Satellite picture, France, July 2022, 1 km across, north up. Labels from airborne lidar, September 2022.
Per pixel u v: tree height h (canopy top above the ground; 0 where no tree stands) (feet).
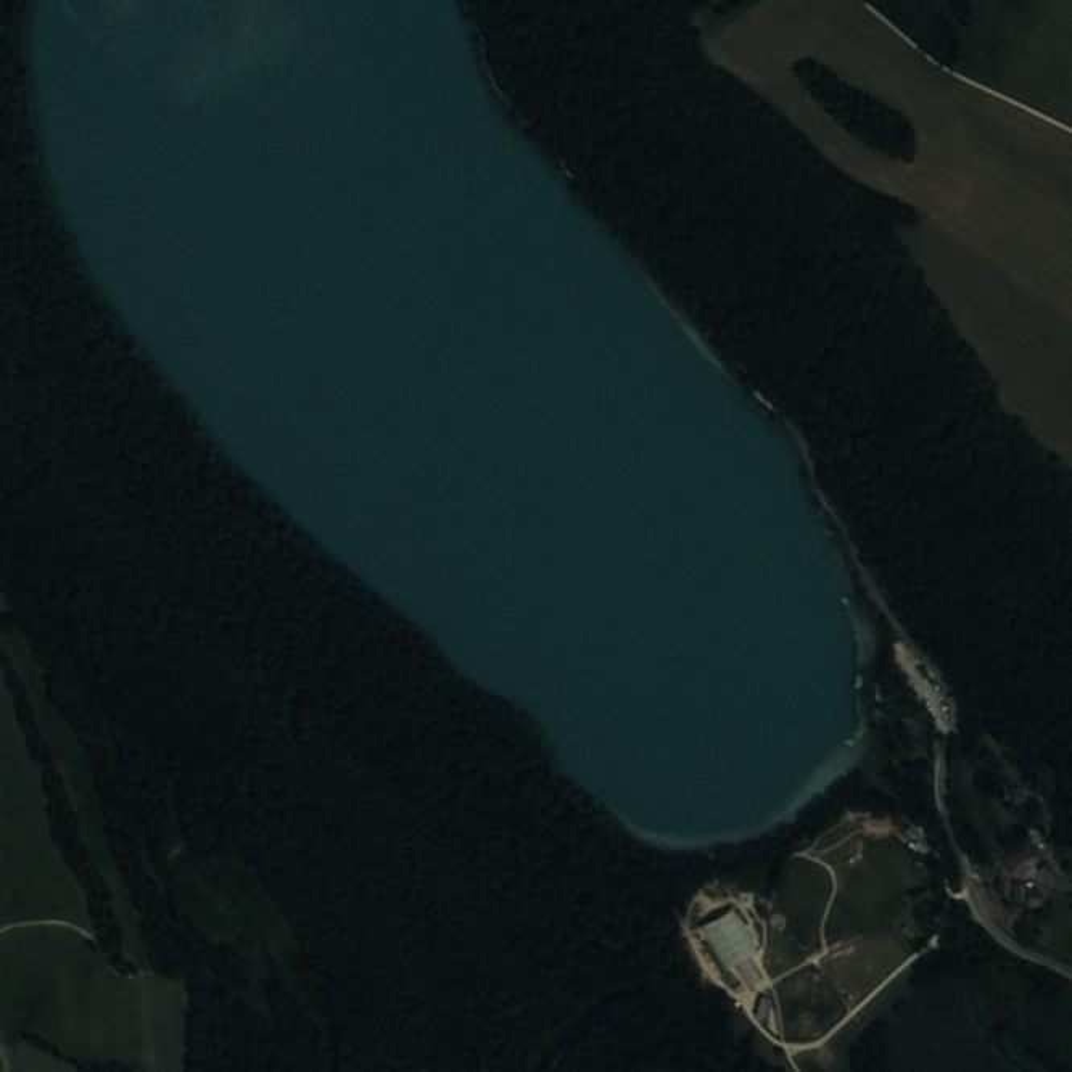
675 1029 112
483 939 69
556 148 68
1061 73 0
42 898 0
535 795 104
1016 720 89
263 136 0
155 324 0
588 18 90
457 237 0
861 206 70
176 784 0
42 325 87
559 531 0
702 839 0
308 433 0
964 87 0
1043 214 0
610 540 0
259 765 85
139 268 0
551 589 0
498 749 91
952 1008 0
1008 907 30
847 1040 0
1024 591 94
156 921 72
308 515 0
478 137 0
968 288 0
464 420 0
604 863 112
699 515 0
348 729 119
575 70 87
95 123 0
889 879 0
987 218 0
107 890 54
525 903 116
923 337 73
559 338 0
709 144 85
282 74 0
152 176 0
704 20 0
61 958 0
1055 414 0
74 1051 0
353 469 0
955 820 35
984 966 45
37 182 44
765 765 0
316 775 54
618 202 88
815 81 54
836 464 68
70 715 64
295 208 0
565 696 0
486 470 0
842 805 53
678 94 77
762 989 0
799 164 62
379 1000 63
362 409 0
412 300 0
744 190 92
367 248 0
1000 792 56
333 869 63
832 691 0
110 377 119
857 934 0
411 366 0
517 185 0
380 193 0
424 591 0
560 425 0
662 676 0
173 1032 0
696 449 0
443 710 97
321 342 0
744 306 112
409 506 0
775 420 46
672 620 0
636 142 87
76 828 55
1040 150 0
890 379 89
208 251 0
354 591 93
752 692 0
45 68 0
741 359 63
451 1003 97
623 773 0
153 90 0
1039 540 115
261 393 0
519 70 100
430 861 57
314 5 0
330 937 63
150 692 69
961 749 25
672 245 112
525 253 0
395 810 70
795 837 51
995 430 66
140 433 89
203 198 0
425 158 0
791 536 0
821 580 0
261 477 0
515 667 0
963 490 106
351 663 127
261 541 100
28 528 85
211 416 0
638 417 0
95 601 76
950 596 89
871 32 0
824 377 102
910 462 111
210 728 77
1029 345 0
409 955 47
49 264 101
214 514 86
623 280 0
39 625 70
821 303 122
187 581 96
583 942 111
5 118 96
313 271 0
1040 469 84
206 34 0
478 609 0
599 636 0
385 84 0
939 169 0
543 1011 93
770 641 0
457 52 0
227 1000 59
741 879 0
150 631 79
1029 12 0
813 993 0
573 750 0
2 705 0
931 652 71
